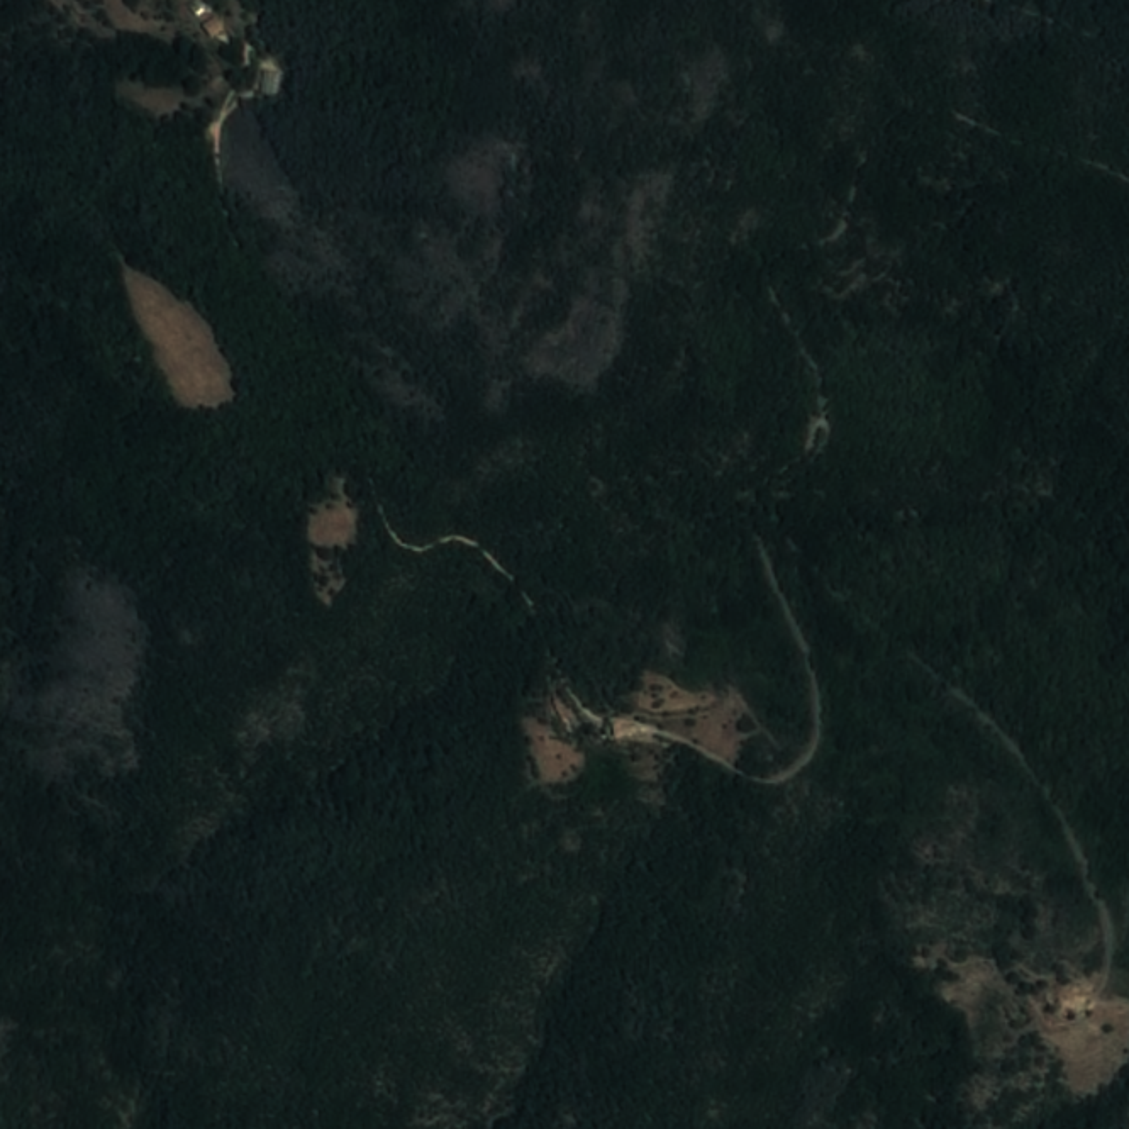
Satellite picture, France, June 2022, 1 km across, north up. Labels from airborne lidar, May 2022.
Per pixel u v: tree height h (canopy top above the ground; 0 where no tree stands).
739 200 7
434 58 11
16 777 12
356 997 11
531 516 9
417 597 8
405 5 17
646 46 11
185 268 14
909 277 12
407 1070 8
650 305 6
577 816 8
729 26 10
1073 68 9
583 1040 15
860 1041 22
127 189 13
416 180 14
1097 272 12
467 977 10
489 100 10
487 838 10
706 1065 6
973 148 6
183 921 7
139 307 0
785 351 11
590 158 10
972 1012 0
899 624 13
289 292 6
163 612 7
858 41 7
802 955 14
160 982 8
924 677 7
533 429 7
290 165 14
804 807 7
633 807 9
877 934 14
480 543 7
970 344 10
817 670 9
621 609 11
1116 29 18
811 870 14
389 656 8
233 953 9
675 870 14
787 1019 9
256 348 15
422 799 16
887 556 12
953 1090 10
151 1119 12
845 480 12
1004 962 12
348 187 19
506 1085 7
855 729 9
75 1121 8
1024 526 7
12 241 16
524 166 8
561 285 8
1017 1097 8
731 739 0
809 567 14
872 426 10
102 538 14
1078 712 10
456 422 9
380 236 6
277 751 9
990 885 6
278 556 7
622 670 7
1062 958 0
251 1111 8
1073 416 8
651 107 8
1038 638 10
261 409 15
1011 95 14
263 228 11
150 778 11
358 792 14
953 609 13
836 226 10
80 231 18
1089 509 12
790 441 11
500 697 14
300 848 10
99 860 10
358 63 17
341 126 19
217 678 7
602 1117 12
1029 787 8
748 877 9
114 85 14
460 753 17
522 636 13
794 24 9
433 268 6
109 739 7
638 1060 13
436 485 10
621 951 12
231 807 7
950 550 11
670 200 8
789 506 16
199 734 10
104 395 18
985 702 8
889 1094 11
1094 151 11
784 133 14
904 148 14
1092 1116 17
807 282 9
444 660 12
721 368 10
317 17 18
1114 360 9
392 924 8
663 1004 14
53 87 13
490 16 7
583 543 13
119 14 0
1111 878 7
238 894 7
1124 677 13
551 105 13
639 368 11
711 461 12
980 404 14
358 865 9
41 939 12
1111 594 14
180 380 0
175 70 24
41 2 6
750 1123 11
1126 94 8
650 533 15
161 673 10
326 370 14
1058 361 16
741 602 13
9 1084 7
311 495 16
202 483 11
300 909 10
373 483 7
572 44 11
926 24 6
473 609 14
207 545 17
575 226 6
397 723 19
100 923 9
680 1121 10
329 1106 11
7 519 17
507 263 12
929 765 6
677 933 16
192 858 10
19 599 20
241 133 0
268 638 8
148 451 17
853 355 8
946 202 16
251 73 8
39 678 8
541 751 0
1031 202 12
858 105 7
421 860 10
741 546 12
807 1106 16
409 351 8
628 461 15
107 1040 12
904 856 10
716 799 11
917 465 11
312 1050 10
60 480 13
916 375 10
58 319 18
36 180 14
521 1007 7
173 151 16
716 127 11
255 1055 9
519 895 14
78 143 14
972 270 24
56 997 13
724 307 11
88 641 0
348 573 7
